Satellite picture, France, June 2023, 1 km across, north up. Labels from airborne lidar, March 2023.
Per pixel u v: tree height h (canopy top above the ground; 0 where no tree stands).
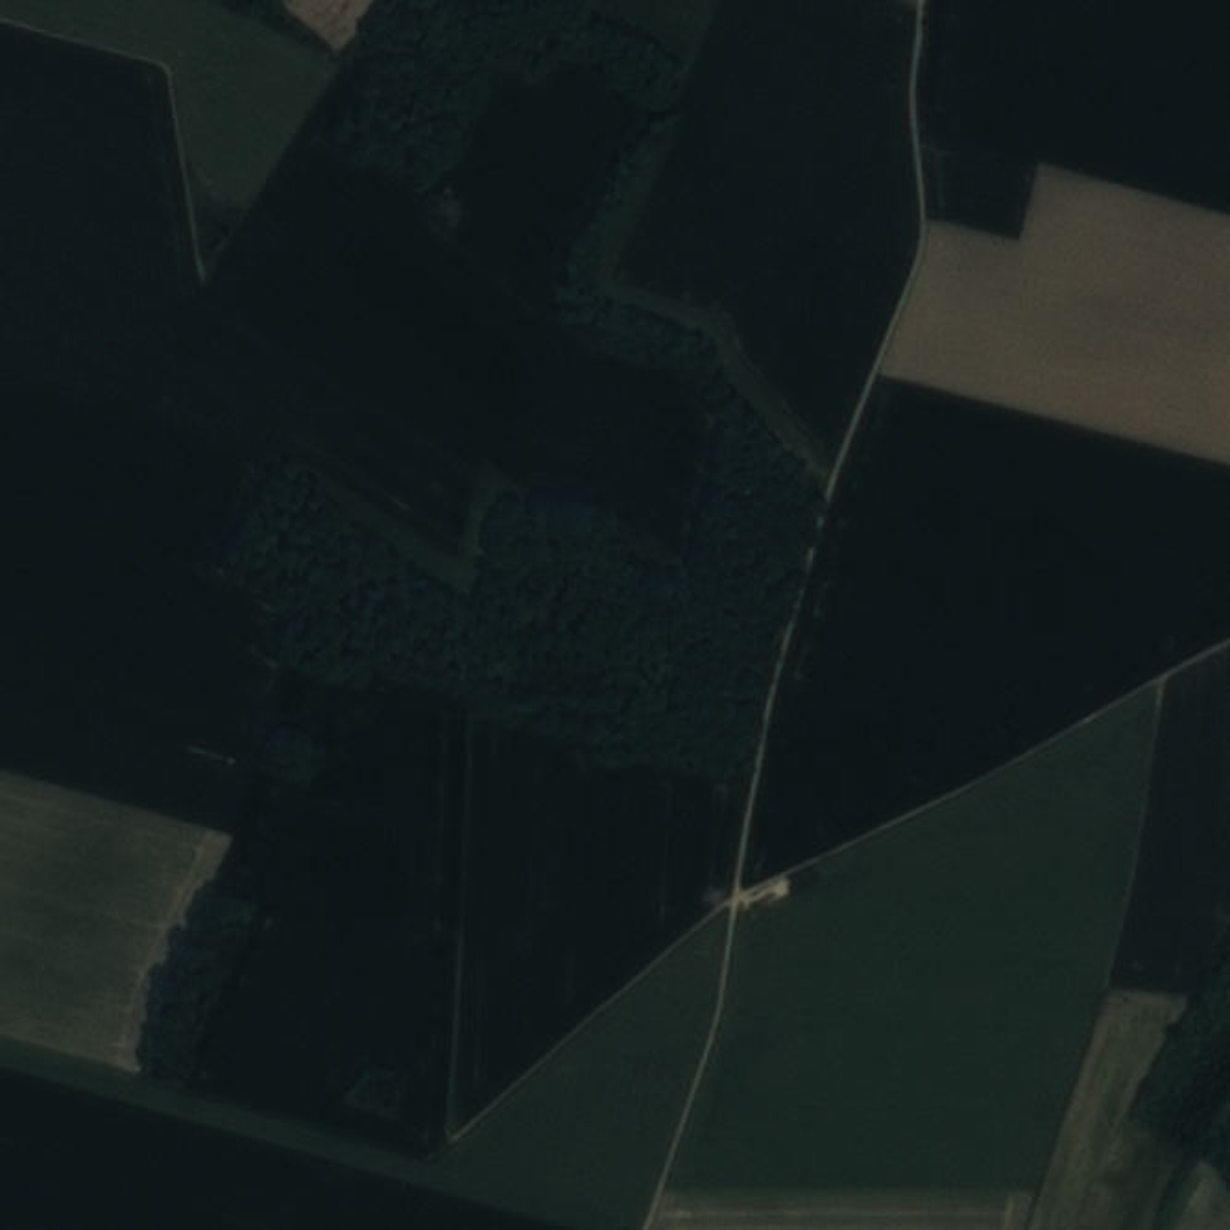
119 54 0
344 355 0
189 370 0
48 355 0
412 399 0
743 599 23
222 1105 0
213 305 0
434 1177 0
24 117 0
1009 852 0
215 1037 0
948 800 0
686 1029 0
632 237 0
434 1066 0
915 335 0
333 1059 0
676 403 0
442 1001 0
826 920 0
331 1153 0
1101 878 0
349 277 0
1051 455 0
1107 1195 0
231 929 22
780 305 0
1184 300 0
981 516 0
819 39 0
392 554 22
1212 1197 0
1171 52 0
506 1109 0
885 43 0
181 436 0
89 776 0
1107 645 0
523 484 0
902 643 0
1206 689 0
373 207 0
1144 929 0
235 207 0
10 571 0
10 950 0
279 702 0
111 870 0
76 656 0
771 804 0
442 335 0
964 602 0
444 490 0
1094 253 0
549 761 0
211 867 0
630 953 0
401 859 0
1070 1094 0
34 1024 0
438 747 0
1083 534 0
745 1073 0
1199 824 0
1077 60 0
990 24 0
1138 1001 0
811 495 22
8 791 0
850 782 0
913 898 0
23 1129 0
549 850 0
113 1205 0
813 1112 0
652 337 18
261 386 0
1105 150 0
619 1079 0
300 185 0
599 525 23
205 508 0
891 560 0
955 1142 0
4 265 0
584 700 12
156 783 0
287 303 0
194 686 0
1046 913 0
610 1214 0
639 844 0
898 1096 0
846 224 0
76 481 0
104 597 0
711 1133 0
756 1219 0
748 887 0
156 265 0
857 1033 0
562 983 0
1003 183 0
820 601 0
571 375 0
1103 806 0
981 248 0
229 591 0
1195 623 0
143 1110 0
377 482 0
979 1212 0
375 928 0
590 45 21
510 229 0
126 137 0
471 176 0
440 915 0
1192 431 0
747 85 0
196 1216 0
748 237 0
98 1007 0
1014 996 0
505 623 11
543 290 0
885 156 0
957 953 0
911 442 0
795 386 0
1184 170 0
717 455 16
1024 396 0
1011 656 0
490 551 22
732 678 19
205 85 0
